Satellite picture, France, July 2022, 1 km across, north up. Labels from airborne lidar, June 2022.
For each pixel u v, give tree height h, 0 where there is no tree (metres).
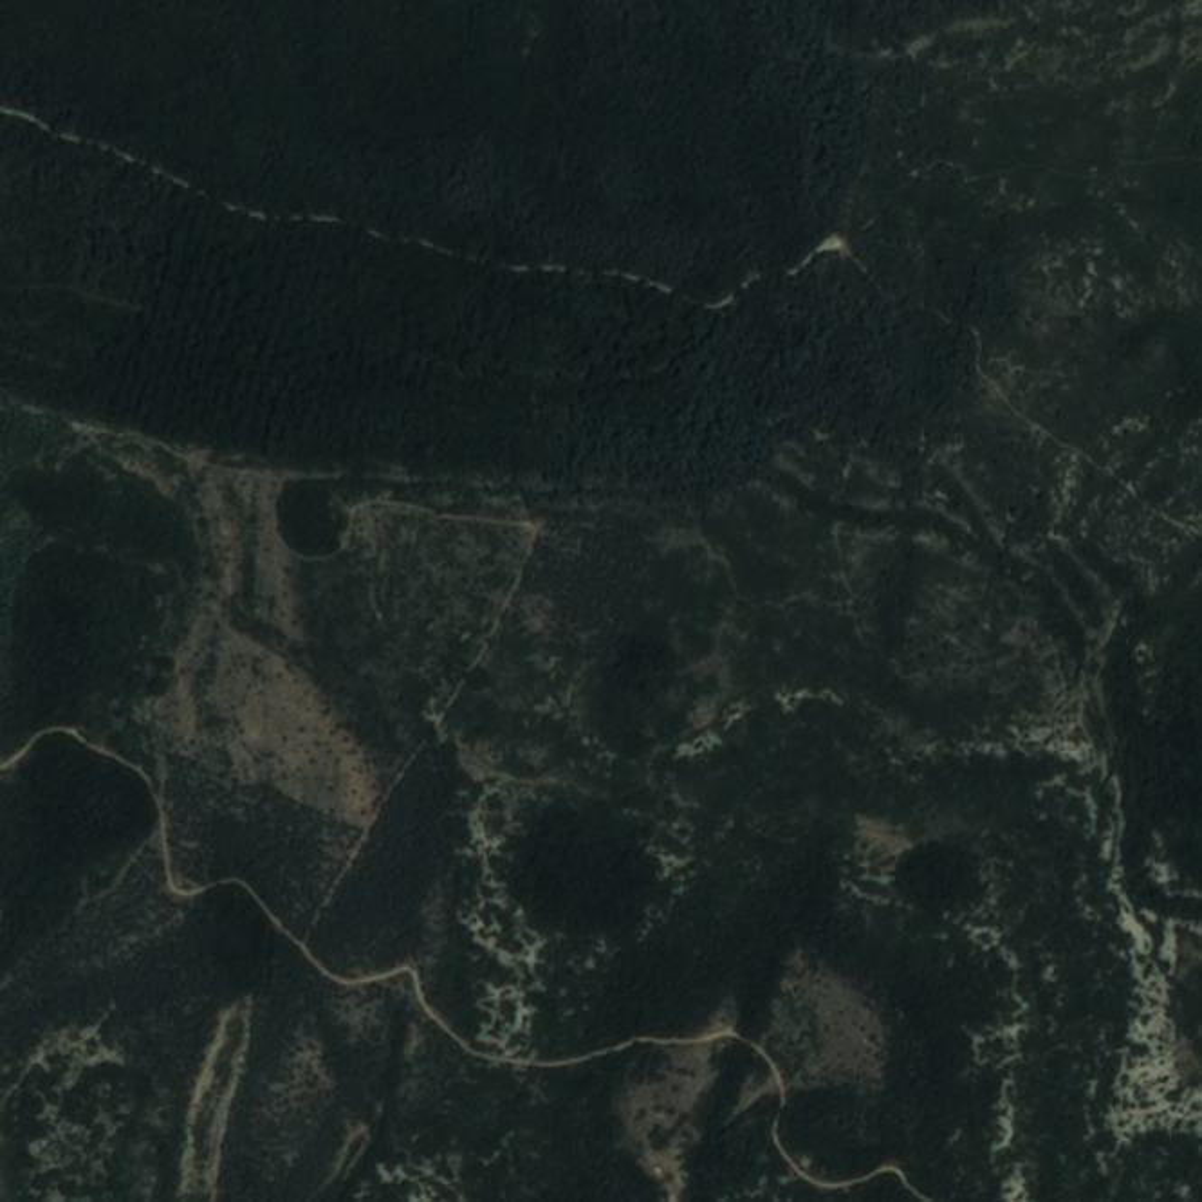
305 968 7
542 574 6
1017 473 0
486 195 15
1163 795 10
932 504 0
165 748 0
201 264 15
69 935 5
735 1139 6
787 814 0
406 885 7
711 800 0
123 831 8
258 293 14
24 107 7
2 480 6
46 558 5
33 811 8
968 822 0
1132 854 11
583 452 13
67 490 6
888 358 8
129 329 7
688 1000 7
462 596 0
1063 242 0
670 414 9
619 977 6
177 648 0
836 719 0
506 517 0
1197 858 8
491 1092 0
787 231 8
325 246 8
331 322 10
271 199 13
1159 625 6
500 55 6
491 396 6
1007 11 0
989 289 8
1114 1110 0
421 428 9
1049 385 0
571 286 11
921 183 7
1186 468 0
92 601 6
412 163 9
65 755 6
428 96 8
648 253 13
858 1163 6
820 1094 5
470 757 0
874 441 8
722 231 11
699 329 14
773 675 0
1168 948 0
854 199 0
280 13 7
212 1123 0
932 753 0
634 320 13
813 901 6
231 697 0
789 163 12
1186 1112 0
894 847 0
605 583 6
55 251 6
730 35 10
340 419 7
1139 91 0
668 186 11
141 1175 0
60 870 6
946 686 0
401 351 8
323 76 8
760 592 0
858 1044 0
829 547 0
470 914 0
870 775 0
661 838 0
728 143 8
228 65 9
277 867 6
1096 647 7
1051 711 0
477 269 7
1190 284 0
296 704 0
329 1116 5
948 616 0
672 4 14
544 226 12
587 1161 6
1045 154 0
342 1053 6
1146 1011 0
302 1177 7
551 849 8
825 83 7
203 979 6
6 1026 6
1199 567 8
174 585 6
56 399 8
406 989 0
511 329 8
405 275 8
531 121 10
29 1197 5
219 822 7
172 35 6
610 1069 5
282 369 11
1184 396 8
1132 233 0
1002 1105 0
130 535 5
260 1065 6
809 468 0
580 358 13
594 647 6
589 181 12
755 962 8
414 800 7
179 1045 6
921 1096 6
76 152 8
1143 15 0
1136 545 0
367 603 0
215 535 0
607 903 10
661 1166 0
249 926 5
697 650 0
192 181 8
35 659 7
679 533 0
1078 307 0
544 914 6
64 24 6
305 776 0
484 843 0
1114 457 0
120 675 6
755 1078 0
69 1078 0
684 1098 0
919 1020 7
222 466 0
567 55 10
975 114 0
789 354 18
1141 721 10
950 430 7
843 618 0
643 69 14
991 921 6
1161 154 0
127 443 0
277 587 0
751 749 0
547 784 0
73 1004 7
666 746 0
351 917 6
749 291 8
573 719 0
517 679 0
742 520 0
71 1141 0
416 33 6
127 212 6
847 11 11
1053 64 0
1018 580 7
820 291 8
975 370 8
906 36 7
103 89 8
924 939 0
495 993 0
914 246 0
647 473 12
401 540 0
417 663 0
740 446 7
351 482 6
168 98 14
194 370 12
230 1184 7
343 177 10
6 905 5
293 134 7
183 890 0
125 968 6
